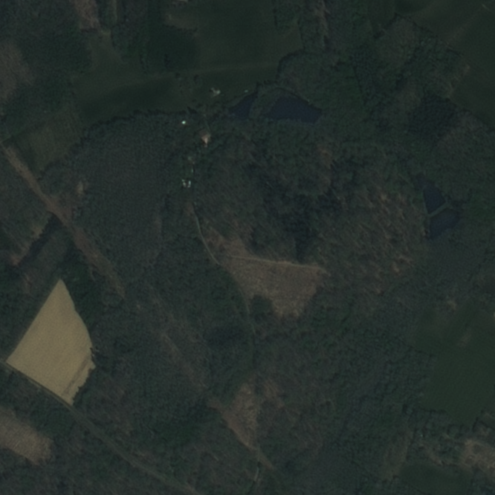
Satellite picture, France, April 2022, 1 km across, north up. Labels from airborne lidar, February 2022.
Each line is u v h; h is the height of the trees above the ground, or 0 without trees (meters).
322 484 16
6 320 21
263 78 0
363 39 26
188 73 0
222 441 29
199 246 23
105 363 31
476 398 0
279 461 28
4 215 29
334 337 18
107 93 0
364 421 24
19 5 20
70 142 0
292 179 30
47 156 0
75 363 0
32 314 20
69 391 0
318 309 27
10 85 0
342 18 28
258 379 0
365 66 29
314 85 24
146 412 22
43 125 0
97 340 24
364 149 26
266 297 0
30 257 19
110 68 0
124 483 24
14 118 20
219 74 0
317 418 28
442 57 18
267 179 26
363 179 31
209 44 0
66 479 22
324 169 29
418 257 27
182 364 0
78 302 20
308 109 0
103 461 29
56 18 14
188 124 20
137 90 0
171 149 8
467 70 0
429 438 15
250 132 29
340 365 25
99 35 16
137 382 20
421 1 0
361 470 20
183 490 0
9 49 0
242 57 0
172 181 9
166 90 0
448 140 23
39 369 0
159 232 0
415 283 23
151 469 21
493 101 0
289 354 29
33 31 19
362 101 8
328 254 27
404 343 19
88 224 15
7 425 0
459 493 0
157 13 8
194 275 25
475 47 0
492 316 0
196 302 23
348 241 28
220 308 26
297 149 31
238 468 28
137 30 18
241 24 0
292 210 33
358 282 27
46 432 20
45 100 19
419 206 31
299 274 0
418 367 11
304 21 22
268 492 11
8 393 21
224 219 30
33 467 18
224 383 23
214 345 23
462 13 0
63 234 23
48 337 0
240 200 28
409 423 6
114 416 31
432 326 0
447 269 23
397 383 13
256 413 0
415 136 19
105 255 20
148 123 23
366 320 23
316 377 27
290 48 0
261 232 25
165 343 0
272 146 23
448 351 0
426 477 0
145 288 17
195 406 19
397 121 23
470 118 23
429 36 11
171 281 9
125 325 26
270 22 0
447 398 0
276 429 23
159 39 7
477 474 14
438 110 20
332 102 24
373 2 0
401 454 0
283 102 0
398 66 22
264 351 29
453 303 0
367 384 6
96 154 13
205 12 0
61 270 22
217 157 25
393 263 29
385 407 19
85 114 0
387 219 27
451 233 19
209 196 28
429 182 0
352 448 20
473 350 0
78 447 26
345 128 26
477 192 25
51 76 18
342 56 19
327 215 25
